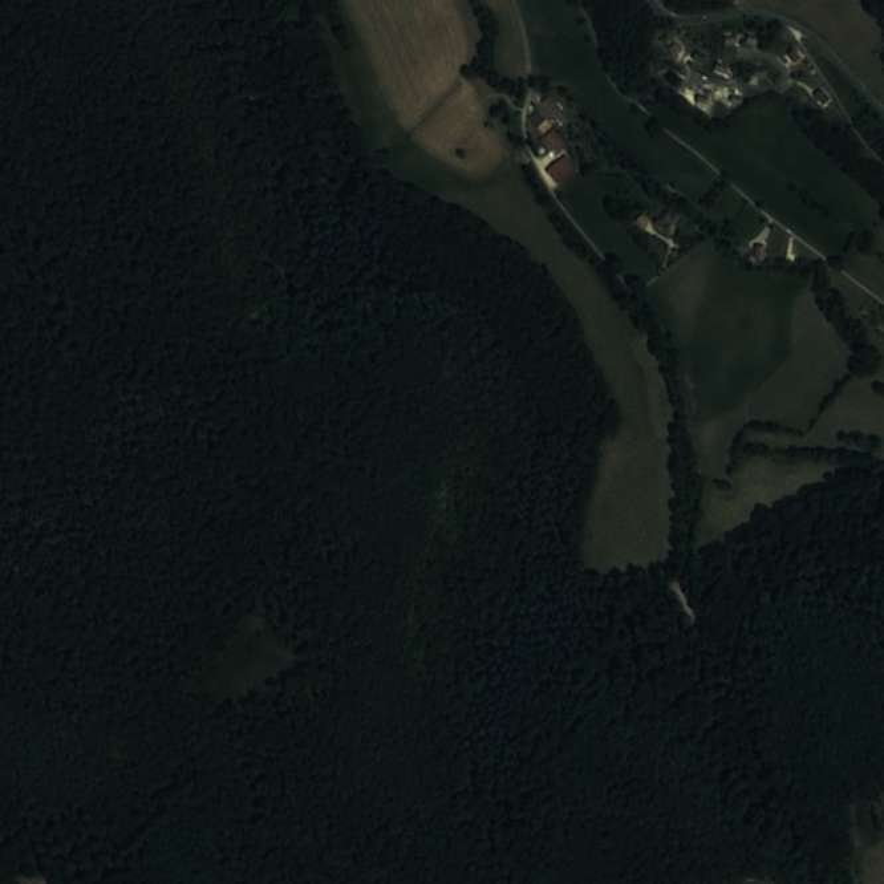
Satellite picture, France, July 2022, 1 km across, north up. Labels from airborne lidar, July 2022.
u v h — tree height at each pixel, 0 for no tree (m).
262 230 27
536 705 25
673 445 19
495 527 24
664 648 29
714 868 18
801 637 12
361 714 13
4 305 24
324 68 21
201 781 22
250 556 18
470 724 30
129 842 20
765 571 26
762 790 12
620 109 0
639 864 14
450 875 16
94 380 20
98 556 15
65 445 17
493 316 21
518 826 25
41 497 18
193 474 19
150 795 11
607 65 22
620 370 0
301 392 21
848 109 0
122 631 21
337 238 37
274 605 20
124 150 21
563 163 0
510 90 13
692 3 19
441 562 19
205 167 12
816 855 29
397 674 11
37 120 15
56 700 19
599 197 0
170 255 21
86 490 16
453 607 20
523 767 19
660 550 0
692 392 0
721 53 0
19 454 19
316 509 22
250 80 29
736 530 0
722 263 0
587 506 16
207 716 22
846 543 19
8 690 18
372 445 19
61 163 23
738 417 0
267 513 21
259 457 23
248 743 18
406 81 0
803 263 8
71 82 16
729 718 26
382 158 10
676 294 0
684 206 16
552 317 22
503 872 21
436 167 0
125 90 15
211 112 23
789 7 0
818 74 0
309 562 19
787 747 20
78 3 17
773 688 24
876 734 14
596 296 0
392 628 9
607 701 16
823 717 19
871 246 14
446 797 18
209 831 21
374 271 25
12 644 21
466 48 0
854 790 15
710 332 0
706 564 32
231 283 12
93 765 13
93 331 18
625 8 12
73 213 20
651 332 20
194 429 10
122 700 18
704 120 17
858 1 0
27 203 18
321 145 26
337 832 14
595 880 13
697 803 20
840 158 20
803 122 20
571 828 19
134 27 17
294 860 19
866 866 0
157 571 21
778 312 0
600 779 17
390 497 12
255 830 23
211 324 18
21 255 21
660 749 25
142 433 16
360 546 15
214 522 21
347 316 32
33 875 28
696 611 20
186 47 22
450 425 13
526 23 0
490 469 23
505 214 0
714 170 0
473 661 21
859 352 22
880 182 17
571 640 37
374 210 34
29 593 21
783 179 0
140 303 18
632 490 0
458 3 0
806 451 11
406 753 10
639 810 17
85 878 32
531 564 38
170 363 14
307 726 18
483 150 0
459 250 28
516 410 17
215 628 22
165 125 18
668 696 22
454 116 0
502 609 31
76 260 18
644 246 10
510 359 19
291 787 20
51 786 14
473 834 27
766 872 9
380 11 0
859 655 14
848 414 0
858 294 0
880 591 21
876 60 0
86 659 25
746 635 29
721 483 11
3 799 27
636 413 0
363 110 0
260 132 25
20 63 19
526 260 26
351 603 14
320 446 26
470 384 18
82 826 25
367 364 24
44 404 16
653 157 0
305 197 34
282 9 31
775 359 0
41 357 14
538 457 32
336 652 16
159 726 19
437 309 28
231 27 34
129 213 19
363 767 12
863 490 30
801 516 29
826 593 27
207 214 11
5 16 22
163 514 17
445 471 9
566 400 30
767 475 0
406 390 14
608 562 0
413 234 29
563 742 17
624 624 14
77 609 22
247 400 22
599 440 18
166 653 19
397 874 18
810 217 0
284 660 0
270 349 21
